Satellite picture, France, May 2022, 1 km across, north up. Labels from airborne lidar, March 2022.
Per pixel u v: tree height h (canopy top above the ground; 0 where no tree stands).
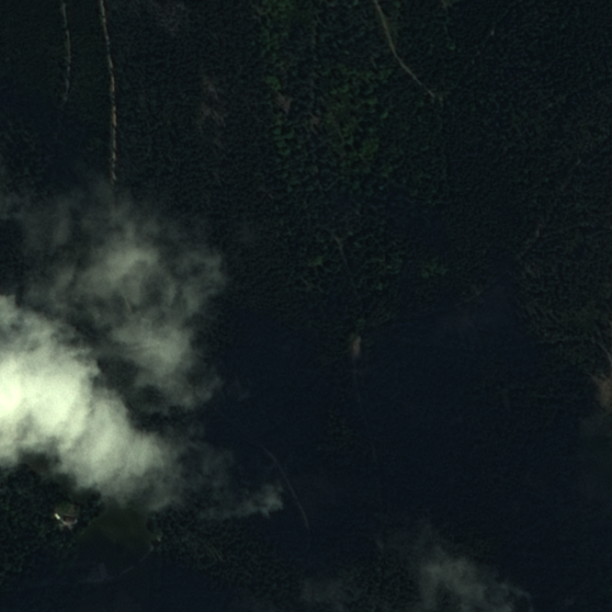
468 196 20
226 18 19
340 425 23
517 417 19
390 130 19
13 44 8
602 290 21
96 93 8
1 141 38
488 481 15
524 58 30
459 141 16
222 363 20
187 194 23
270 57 22
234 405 25
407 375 20
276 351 18
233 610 34
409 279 19
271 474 30
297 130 8
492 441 20
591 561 13
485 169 16
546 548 15
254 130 16
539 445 19
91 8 9
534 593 12
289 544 30
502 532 14
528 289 19
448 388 21
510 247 22
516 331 23
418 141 16
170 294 24
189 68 20
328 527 12
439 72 20
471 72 11
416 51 22
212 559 25
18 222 31
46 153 33
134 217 27
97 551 0
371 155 18
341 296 19
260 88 22
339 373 22
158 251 26
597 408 25
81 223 27
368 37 24
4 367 30
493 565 18
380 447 20
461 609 20
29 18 11
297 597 32
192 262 26
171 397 28
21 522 21
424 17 21
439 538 23
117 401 31
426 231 24
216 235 22
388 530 21
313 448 15
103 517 0
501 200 18
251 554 33
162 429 30
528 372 25
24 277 29
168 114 25
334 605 26
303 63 13
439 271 22
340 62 31
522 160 15
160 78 23
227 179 22
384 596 23
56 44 6
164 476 32
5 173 33
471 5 21
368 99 25
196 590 26
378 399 23
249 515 28
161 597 19
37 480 13
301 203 19
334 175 23
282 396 24
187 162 28
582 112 23
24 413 31
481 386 17
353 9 22
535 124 25
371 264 24
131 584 0
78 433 24
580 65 19
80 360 25
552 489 16
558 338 10
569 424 14
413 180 18
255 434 24
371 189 13
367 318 21
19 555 11
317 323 22
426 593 21
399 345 17
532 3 11
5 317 26
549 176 12
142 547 0
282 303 16
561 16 22
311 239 15
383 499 19
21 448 0
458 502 19
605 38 9
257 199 20
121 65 15
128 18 27
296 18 6
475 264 20
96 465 19
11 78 6
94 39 6
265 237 17
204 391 21
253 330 19
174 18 25
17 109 21
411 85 16
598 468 20
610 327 20
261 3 20
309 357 28
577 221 12
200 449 28
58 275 30
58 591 20
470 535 21
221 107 23
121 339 28
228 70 19
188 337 25
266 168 23
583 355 17
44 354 26
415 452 20
